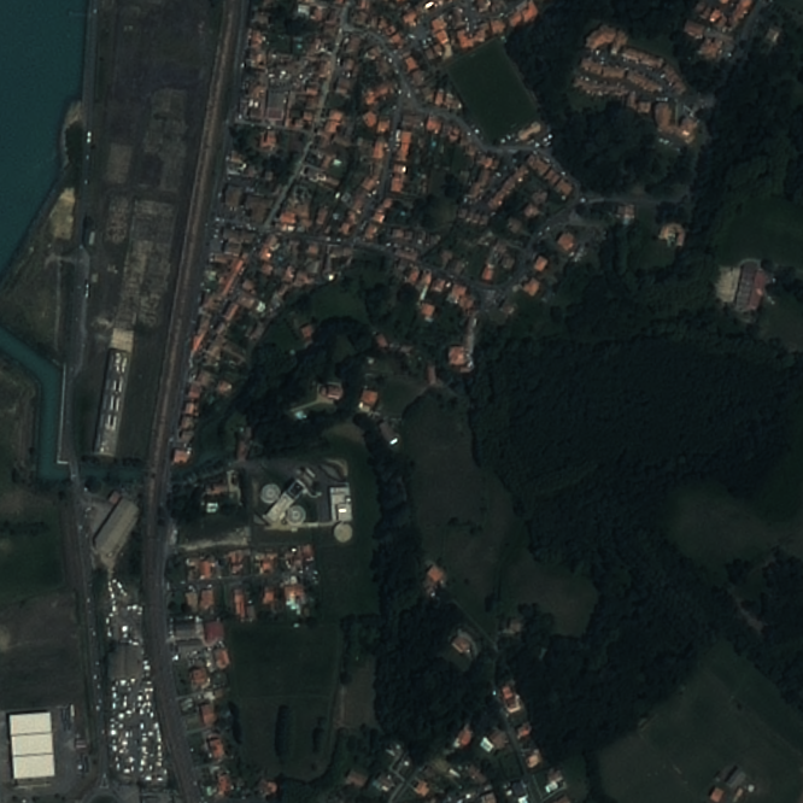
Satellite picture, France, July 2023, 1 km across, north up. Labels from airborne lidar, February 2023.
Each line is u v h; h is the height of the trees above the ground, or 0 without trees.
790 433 10
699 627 22
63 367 0
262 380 23
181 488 10
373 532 0
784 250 0
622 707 23
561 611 0
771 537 0
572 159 17
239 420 0
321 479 0
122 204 0
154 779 0
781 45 11
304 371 28
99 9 0
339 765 10
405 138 0
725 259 0
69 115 0
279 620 7
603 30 0
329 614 0
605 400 18
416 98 0
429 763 9
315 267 0
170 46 0
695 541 0
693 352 16
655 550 22
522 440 18
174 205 0
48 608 0
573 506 10
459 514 0
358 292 6
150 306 0
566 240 0
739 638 22
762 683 0
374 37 0
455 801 0
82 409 0
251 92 0
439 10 0
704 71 17
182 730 0
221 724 5
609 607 21
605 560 26
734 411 18
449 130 0
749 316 5
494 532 0
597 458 20
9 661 0
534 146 0
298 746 0
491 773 13
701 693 0
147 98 0
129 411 0
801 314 0
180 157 0
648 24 23
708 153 19
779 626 18
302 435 19
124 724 0
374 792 0
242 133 7
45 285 0
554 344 11
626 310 6
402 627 17
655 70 0
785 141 27
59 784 0
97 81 0
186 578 0
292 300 15
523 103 0
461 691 20
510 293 0
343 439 0
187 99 0
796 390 15
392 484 11
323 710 0
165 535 0
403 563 17
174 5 0
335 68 0
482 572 0
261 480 0
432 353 7
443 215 0
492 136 0
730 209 30
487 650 8
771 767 0
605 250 6
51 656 0
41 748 0
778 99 12
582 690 24
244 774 9
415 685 21
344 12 0
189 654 0
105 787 0
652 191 15
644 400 15
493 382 25
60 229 0
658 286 27
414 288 11
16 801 5
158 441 0
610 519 18
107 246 0
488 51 0
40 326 0
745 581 15
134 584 0
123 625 0
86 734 0
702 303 21
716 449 21
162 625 0
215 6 10
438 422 0
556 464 18
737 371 18
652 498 17
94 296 0
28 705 0
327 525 0
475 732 14
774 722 0
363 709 0
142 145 0
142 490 0
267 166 11
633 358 17
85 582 0
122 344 0
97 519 0
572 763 0
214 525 0
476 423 19
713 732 0
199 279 0
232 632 0
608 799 11
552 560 25
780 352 16
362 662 0
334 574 0
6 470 0
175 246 0
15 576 0
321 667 0
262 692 0
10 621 0
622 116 27
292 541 0
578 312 9
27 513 0
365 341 25
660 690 22
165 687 0
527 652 22
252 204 0
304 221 0
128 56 0
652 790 0
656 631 25
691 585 21
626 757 0
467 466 0
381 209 0
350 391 17
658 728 0
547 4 12
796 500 0
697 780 0
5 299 0
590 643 18
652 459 20
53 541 0
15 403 0
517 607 0
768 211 0
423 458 0
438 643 15
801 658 21
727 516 0
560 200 11
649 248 0
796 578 19
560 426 16
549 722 25
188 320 0
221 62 0
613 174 16
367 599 0
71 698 0
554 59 17
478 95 0
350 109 8
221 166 0
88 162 0
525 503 23
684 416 18
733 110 24
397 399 0
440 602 13
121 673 0
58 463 0
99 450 0
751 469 23
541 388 10
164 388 0
